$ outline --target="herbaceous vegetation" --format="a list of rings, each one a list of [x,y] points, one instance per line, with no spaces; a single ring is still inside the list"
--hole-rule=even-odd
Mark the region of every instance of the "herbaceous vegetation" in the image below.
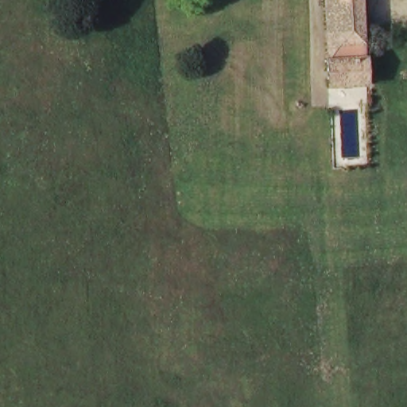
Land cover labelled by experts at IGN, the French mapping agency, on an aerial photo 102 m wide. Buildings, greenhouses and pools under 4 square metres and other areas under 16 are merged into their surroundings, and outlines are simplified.
[[[0,407],[407,407],[407,21],[391,22],[391,30],[391,37],[396,41],[394,51],[388,49],[372,62],[372,91],[367,97],[369,154],[366,164],[342,165],[339,170],[332,169],[332,149],[335,148],[334,108],[329,107],[312,107],[310,103],[312,95],[308,0],[210,0],[210,5],[202,14],[194,19],[188,19],[181,11],[167,10],[165,0],[97,0],[99,11],[95,14],[94,25],[99,32],[84,33],[83,37],[76,40],[76,45],[67,46],[52,40],[51,35],[46,32],[41,19],[41,5],[45,0],[0,0]],[[178,73],[176,54],[196,45],[202,46],[203,75],[197,79],[186,79]]]

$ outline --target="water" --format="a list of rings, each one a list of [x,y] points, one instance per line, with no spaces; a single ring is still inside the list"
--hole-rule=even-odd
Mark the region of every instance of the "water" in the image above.
[[[358,114],[355,110],[343,110],[340,114],[342,154],[343,157],[358,157]]]

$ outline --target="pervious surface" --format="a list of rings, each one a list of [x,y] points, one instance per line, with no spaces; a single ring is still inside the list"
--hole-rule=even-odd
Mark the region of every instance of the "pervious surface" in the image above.
[[[331,81],[328,78],[328,70],[323,70],[323,57],[329,54],[326,0],[308,0],[312,95],[310,103],[312,107],[329,107],[329,89]]]
[[[385,32],[391,30],[391,22],[407,21],[407,0],[366,0],[367,21]]]

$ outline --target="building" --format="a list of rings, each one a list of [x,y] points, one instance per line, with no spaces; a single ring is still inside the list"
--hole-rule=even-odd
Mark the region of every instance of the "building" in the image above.
[[[367,97],[372,91],[372,62],[367,52],[367,21],[366,0],[326,0],[329,54],[323,57],[323,70],[328,70],[328,78],[331,81],[329,89],[364,87]]]

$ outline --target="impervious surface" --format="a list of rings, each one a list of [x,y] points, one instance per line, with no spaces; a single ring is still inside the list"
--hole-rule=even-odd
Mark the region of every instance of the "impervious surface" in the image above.
[[[329,107],[334,108],[335,148],[332,149],[332,169],[339,170],[342,165],[366,164],[369,154],[367,97],[364,87],[329,89]],[[358,157],[343,157],[342,154],[340,114],[343,110],[355,110],[358,114]]]

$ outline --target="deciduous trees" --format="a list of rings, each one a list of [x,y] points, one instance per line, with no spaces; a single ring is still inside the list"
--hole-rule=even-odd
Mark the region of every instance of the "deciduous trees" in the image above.
[[[52,40],[67,46],[76,45],[76,40],[83,37],[84,33],[99,32],[94,25],[95,14],[99,11],[97,0],[45,0],[41,5],[41,19],[46,32],[51,35]]]
[[[188,19],[194,19],[202,14],[210,5],[210,0],[165,0],[167,10],[181,11]]]
[[[176,54],[178,73],[186,79],[197,79],[203,75],[202,46],[196,45]]]
[[[391,37],[391,30],[385,32],[367,21],[367,52],[372,62],[388,49],[394,51],[396,41]]]

